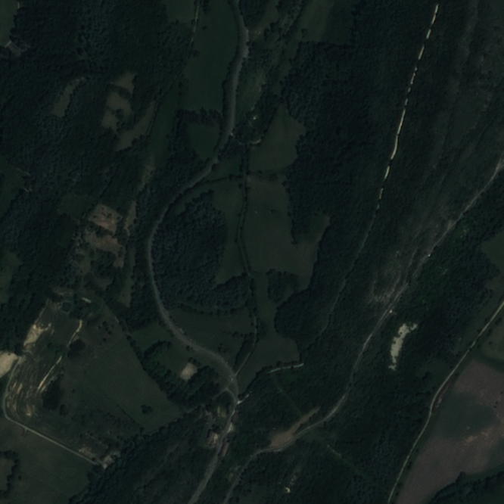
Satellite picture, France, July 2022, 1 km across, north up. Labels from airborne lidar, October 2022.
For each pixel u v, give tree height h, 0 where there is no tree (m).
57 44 19
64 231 13
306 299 15
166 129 0
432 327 15
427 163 9
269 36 16
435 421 0
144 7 16
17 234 12
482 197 11
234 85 0
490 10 6
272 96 13
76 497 11
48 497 0
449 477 0
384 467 25
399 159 7
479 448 0
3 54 18
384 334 14
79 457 0
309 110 18
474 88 8
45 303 15
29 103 15
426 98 11
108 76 12
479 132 9
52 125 10
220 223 21
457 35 10
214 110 0
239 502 15
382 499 14
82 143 15
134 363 0
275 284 9
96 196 18
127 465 7
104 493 7
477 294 22
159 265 10
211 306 18
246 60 14
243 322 0
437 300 13
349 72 7
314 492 20
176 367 0
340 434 9
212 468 0
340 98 6
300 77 19
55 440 0
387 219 7
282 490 10
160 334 0
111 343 0
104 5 17
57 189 13
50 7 16
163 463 7
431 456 0
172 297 21
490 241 20
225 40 0
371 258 12
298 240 14
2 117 12
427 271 14
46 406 8
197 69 0
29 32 24
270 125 11
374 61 11
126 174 9
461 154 12
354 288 15
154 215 15
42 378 0
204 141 0
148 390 0
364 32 17
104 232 12
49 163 16
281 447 0
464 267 16
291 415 8
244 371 0
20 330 19
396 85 13
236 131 9
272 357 0
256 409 7
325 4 0
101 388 0
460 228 13
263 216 0
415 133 8
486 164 7
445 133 7
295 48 0
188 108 0
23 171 15
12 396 0
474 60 8
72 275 19
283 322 15
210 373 20
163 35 15
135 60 17
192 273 11
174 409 0
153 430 0
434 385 0
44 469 0
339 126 7
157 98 16
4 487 0
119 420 8
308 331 16
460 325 15
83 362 0
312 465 11
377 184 8
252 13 14
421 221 6
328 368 13
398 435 19
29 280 7
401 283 7
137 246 14
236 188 0
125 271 8
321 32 0
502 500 0
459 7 9
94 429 0
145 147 11
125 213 16
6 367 0
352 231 10
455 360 10
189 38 12
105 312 0
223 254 20
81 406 0
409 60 13
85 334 0
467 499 22
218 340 0
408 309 7
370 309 9
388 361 11
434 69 9
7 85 11
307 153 13
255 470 17
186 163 20
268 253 0
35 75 21
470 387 0
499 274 19
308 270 0
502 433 0
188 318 0
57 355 7
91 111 9
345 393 11
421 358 15
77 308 6
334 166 6
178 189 19
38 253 14
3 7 0
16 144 21
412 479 0
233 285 17
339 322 12
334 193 18
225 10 0
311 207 16
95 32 17
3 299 0
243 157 12
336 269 8
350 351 8
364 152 17
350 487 22
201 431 10
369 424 15
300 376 6
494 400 0
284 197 0
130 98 12
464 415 0
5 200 0
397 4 9
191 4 0
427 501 0
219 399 6
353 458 14
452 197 6
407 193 10
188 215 12
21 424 0
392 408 15
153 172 6
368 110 14
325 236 13
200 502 8
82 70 17
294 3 9
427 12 13
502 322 0
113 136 13
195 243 20
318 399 12
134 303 14
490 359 0
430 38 8
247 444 10
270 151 0
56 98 20
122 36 13
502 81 10
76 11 16
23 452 0
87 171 15
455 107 8
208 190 0
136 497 11
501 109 11
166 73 14
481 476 0
